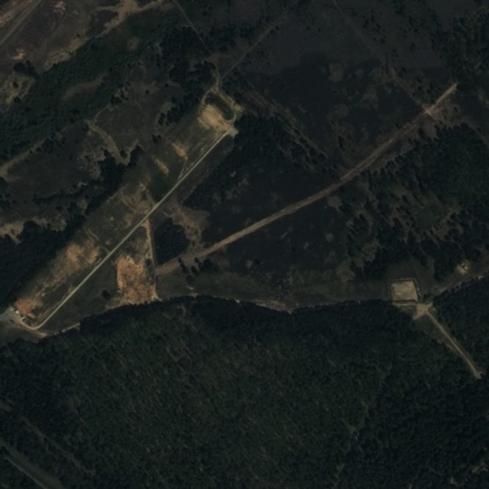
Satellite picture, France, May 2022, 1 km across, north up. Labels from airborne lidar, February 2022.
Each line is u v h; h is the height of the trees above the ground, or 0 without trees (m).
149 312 21
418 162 18
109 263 0
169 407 24
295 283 0
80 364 29
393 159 0
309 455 28
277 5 0
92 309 0
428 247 22
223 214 0
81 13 0
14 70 10
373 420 24
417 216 0
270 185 0
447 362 23
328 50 0
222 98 0
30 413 19
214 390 30
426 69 0
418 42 0
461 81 18
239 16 0
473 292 26
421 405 24
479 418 23
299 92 0
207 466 27
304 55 0
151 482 29
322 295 0
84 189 10
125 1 0
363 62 0
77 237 0
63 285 0
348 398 26
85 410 24
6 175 0
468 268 0
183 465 29
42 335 0
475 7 0
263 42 0
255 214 0
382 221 19
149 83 0
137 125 0
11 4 0
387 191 20
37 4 0
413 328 20
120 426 30
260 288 0
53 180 0
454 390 27
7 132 6
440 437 26
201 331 21
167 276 0
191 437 28
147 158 0
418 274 0
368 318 23
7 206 10
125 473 26
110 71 7
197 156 0
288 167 0
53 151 9
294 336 27
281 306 0
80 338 23
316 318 26
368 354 28
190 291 0
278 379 26
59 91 5
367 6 0
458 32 17
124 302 0
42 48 0
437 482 21
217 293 0
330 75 0
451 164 25
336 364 24
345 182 0
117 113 0
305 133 0
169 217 0
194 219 0
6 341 0
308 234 0
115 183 11
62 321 0
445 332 0
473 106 0
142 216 0
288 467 23
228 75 0
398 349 23
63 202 0
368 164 0
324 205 0
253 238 0
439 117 0
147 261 0
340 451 27
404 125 0
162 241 6
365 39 0
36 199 7
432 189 25
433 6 0
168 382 25
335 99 0
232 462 25
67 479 21
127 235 0
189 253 0
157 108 0
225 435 25
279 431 26
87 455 29
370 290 0
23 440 22
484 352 29
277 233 0
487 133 0
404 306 0
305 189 0
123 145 0
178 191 0
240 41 0
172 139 0
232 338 29
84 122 0
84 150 0
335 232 0
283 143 21
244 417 25
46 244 21
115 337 28
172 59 7
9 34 0
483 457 21
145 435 27
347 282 0
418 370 22
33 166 0
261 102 0
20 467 0
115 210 0
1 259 25
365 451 22
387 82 0
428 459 17
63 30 0
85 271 0
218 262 0
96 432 29
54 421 17
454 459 26
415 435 27
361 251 13
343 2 0
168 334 31
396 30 0
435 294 0
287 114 0
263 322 21
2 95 0
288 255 0
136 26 0
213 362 31
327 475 19
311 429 26
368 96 0
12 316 0
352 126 0
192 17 0
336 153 0
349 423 27
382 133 0
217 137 0
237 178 5
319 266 0
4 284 20
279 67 0
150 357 29
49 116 6
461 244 19
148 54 0
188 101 12
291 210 0
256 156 9
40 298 0
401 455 25
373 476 28
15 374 33
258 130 13
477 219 22
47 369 27
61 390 8
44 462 28
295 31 0
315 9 0
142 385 29
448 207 0
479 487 30
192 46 11
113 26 0
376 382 10
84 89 0
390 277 0
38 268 21
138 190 0
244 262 0
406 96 0
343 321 21
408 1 0
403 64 0
